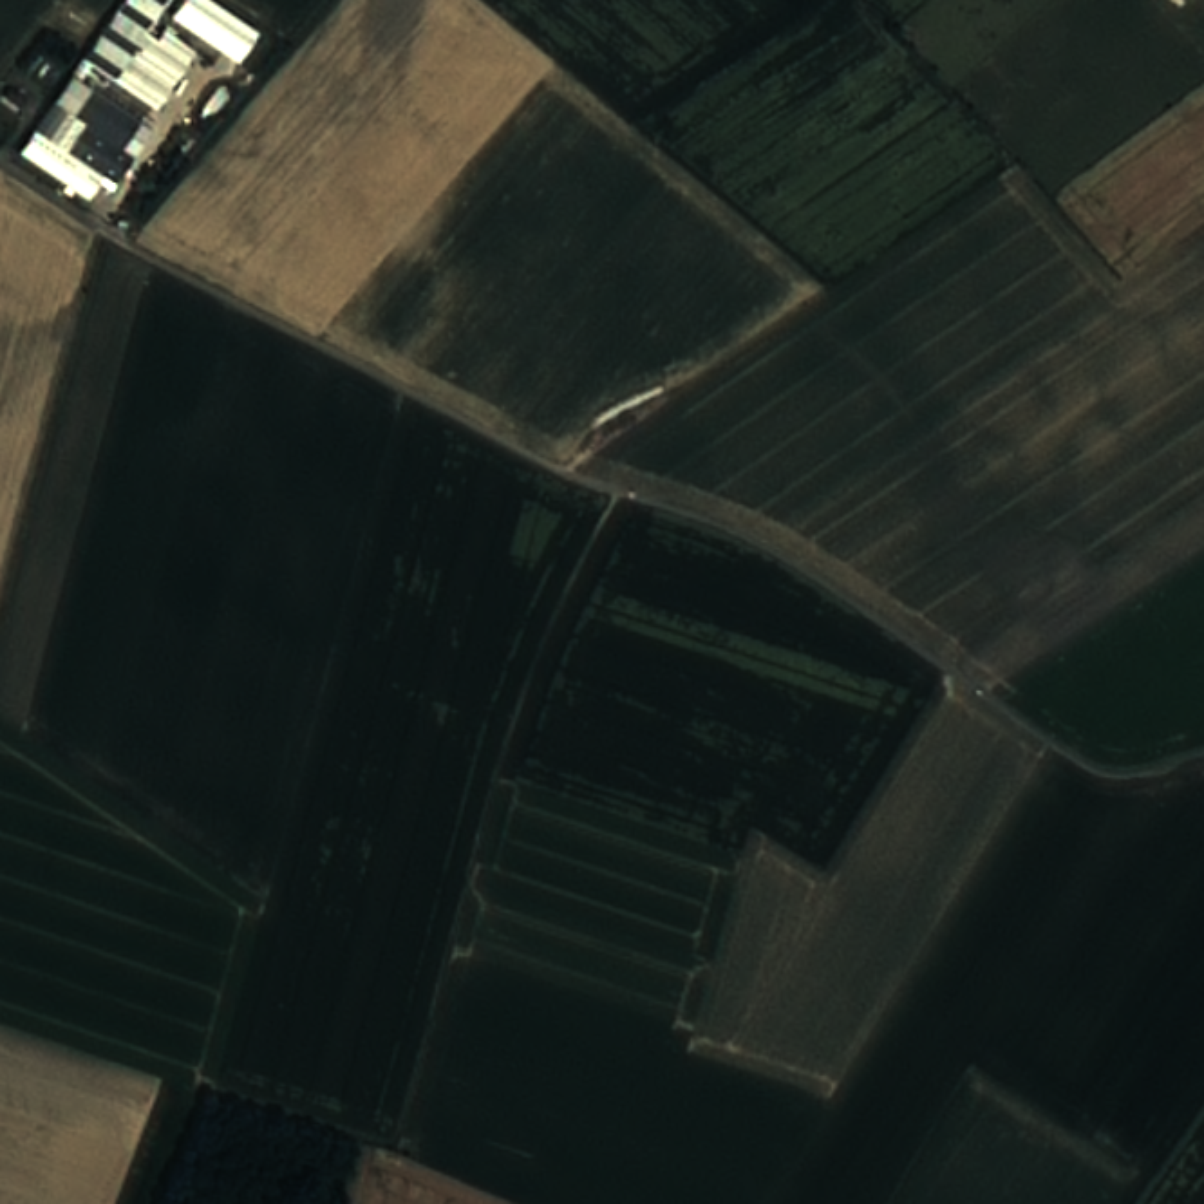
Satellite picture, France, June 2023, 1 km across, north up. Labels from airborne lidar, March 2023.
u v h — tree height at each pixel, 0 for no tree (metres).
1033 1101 0
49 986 0
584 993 0
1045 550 0
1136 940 0
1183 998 0
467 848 0
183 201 0
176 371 0
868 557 0
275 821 0
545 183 0
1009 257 0
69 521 0
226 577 0
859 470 0
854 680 0
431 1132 0
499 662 0
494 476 0
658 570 0
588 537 0
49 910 0
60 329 0
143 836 0
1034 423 0
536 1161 0
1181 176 0
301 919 0
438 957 0
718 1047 0
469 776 0
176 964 0
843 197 0
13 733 0
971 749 0
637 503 0
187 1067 0
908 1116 0
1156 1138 0
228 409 0
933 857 0
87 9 0
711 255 0
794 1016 0
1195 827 0
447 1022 0
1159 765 0
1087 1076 0
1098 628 0
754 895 0
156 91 0
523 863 0
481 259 0
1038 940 0
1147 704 0
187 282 0
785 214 0
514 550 0
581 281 0
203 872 0
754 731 0
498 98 0
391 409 0
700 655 0
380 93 0
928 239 0
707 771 0
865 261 0
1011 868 0
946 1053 0
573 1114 0
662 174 0
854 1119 0
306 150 0
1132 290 0
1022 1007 0
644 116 0
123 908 0
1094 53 0
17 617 0
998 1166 0
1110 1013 0
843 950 0
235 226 0
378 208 0
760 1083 0
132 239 0
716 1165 0
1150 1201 0
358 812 0
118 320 0
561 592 0
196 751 0
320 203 0
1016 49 0
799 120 0
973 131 0
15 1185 0
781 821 0
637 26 0
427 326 0
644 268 0
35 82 0
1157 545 0
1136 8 0
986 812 0
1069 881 0
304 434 0
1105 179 0
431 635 0
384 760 0
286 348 0
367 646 0
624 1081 0
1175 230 0
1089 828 0
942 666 0
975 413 0
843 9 0
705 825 0
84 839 0
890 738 0
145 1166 0
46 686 0
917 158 0
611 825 0
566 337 0
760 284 0
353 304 0
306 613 0
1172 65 0
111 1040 0
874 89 0
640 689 0
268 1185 25
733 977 0
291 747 0
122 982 0
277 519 0
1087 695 0
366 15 0
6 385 0
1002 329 0
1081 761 0
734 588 0
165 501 0
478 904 0
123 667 0
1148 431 0
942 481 0
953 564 0
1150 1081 0
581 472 0
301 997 0
